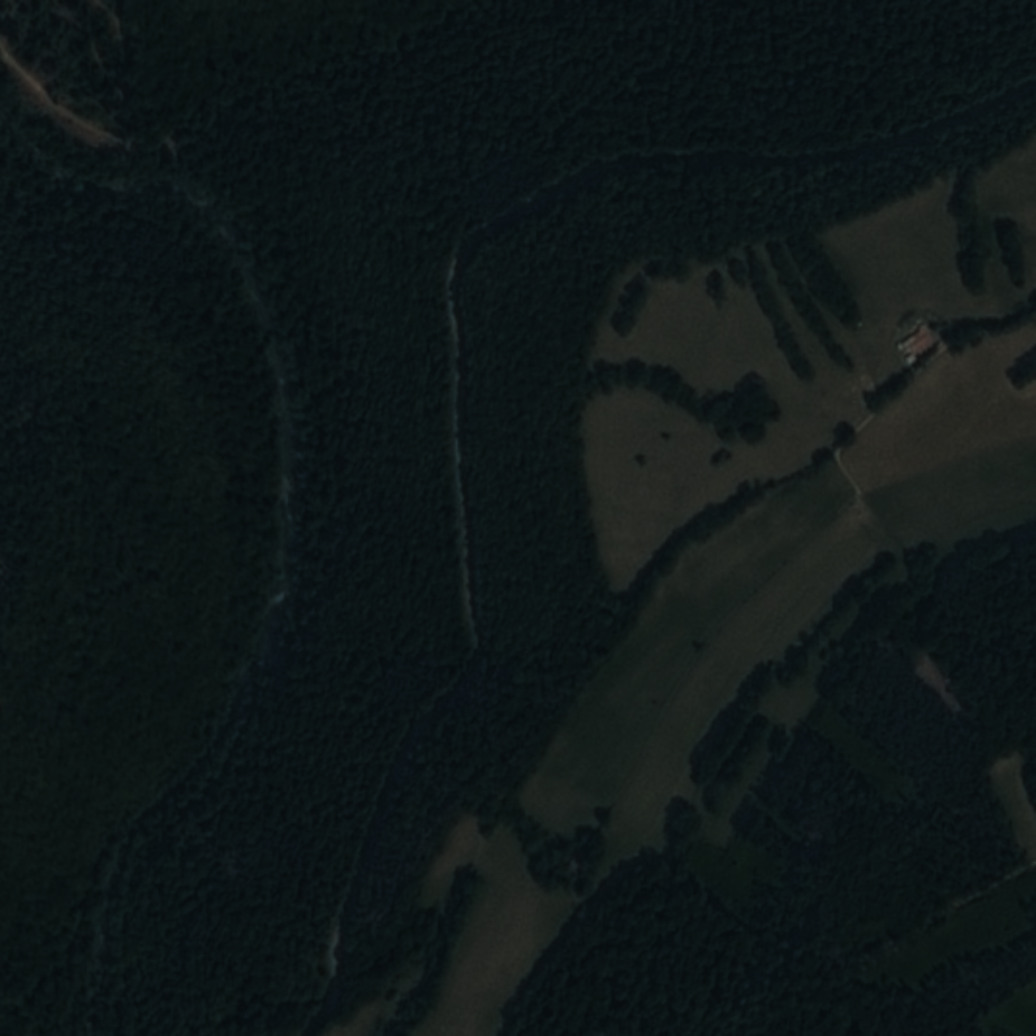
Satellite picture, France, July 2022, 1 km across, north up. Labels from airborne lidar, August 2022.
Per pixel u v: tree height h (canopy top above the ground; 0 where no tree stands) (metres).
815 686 0
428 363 20
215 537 19
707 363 0
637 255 16
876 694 23
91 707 20
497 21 24
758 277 20
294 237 25
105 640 20
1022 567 23
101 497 22
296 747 21
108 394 18
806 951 20
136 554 17
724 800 20
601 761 0
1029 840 0
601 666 17
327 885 23
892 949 25
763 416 17
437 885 0
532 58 25
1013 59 16
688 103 23
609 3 30
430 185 26
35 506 13
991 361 0
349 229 18
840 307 15
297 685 26
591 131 28
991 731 26
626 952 28
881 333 0
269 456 22
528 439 17
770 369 0
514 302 15
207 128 25
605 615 22
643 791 0
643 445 0
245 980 22
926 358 10
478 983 0
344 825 24
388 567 21
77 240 32
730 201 34
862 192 20
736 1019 20
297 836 29
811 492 0
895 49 32
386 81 32
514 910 0
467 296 17
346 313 24
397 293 20
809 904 9
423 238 25
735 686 0
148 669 23
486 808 25
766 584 0
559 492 20
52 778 20
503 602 16
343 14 19
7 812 19
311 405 23
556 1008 21
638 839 0
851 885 22
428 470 19
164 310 26
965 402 0
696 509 0
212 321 33
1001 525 0
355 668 26
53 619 16
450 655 26
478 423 18
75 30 12
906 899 19
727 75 22
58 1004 25
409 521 25
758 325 0
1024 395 0
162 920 20
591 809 0
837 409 0
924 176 25
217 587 18
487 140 29
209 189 11
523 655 31
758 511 0
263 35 22
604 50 32
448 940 22
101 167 12
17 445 25
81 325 23
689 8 30
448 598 17
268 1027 23
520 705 22
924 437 0
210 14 19
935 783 21
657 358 0
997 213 0
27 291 26
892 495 0
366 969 22
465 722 28
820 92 39
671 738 0
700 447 0
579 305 18
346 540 28
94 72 12
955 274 0
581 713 0
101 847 13
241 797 26
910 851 11
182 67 19
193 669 18
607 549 0
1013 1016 0
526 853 6
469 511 6
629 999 19
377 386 16
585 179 9
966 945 0
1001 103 25
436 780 26
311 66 17
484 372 20
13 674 18
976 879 16
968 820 18
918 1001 25
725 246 20
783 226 18
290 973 22
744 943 28
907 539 0
